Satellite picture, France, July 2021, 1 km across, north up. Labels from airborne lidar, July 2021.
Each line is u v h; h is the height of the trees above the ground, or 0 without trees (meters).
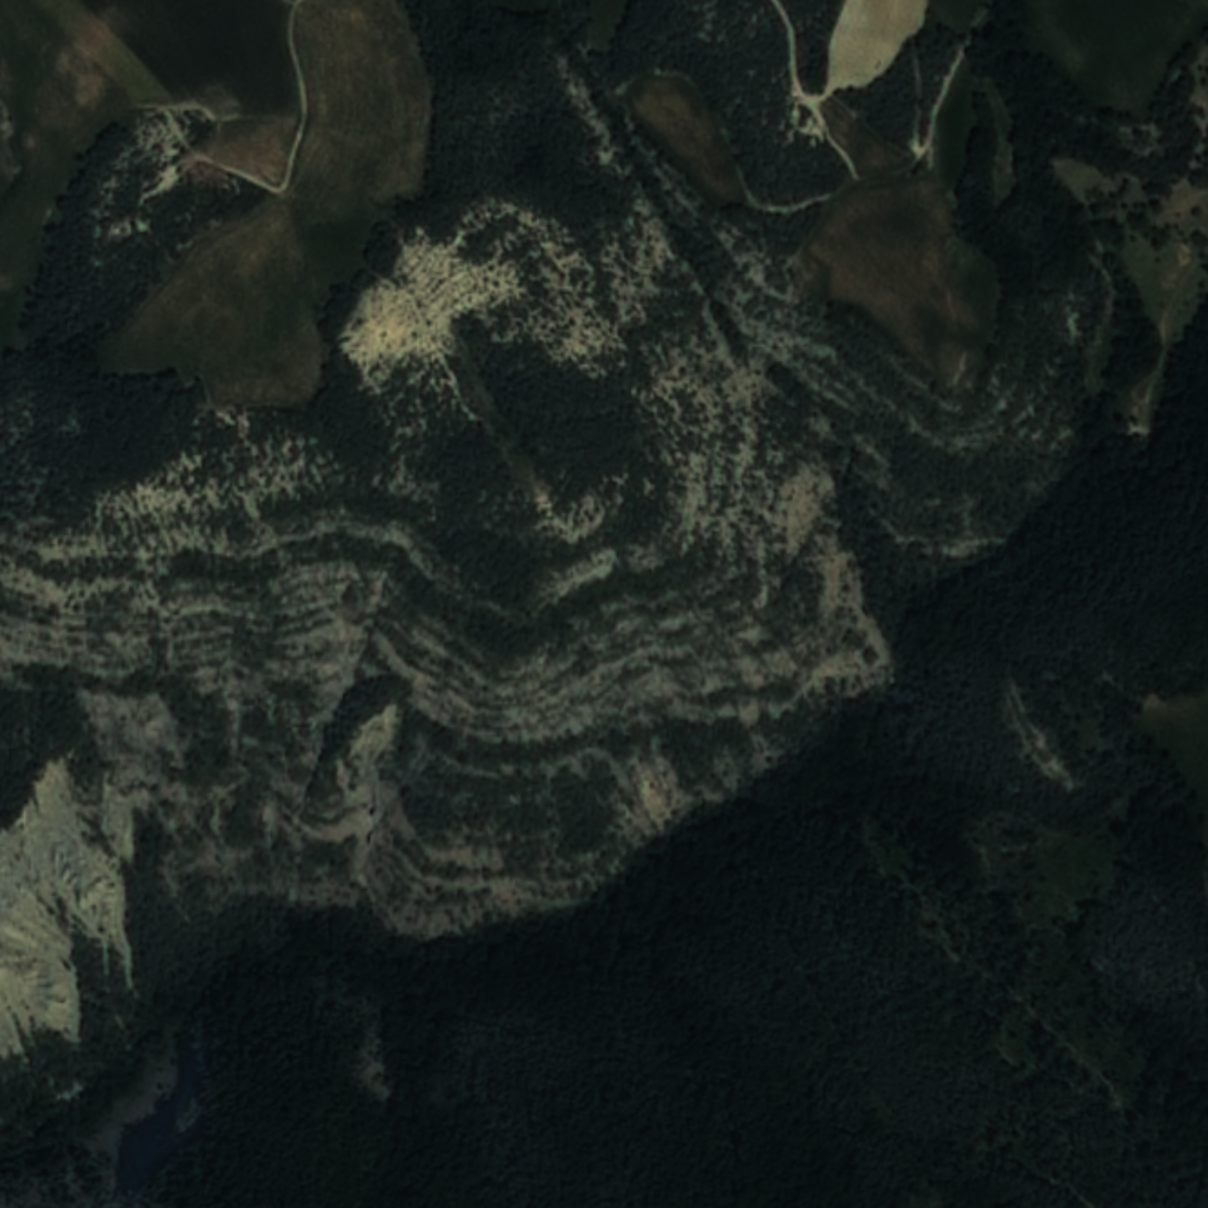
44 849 0
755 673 0
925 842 28
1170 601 18
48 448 7
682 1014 28
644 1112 20
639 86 0
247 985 23
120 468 9
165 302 0
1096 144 14
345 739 7
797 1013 18
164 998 19
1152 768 9
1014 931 17
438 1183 23
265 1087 23
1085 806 9
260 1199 24
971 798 18
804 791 19
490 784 7
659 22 10
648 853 9
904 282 0
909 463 11
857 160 0
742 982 14
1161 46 0
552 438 11
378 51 0
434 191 8
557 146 15
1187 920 13
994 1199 17
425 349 0
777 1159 29
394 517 8
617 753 7
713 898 17
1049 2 0
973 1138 15
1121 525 23
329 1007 8
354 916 10
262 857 7
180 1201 12
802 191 7
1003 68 21
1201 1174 13
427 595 7
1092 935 9
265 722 7
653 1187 19
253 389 0
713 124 0
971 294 0
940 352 0
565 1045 14
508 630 7
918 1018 20
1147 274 0
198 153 0
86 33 0
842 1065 12
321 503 7
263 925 12
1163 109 10
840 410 7
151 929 10
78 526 5
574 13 13
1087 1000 8
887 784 19
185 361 0
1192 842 21
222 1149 17
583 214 9
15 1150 15
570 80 7
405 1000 22
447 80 13
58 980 0
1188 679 8
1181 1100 27
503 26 14
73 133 0
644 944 24
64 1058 10
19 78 0
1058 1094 17
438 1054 18
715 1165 29
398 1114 16
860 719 24
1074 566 18
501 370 9
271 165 0
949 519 7
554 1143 16
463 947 17
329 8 0
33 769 6
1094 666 11
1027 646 13
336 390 8
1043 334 7
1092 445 14
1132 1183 19
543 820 8
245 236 0
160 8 0
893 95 10
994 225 16
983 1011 12
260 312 0
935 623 24
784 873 17
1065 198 12
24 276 0
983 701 10
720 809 9
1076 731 8
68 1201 7
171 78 0
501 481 9
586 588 7
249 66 0
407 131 0
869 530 10
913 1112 18
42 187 0
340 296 9
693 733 8
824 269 0
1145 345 15
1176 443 23
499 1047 11
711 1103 29
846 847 27
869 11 0
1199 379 24
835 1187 20
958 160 0
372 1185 16
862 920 23
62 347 11
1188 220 0
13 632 0
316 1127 17
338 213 0
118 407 14
